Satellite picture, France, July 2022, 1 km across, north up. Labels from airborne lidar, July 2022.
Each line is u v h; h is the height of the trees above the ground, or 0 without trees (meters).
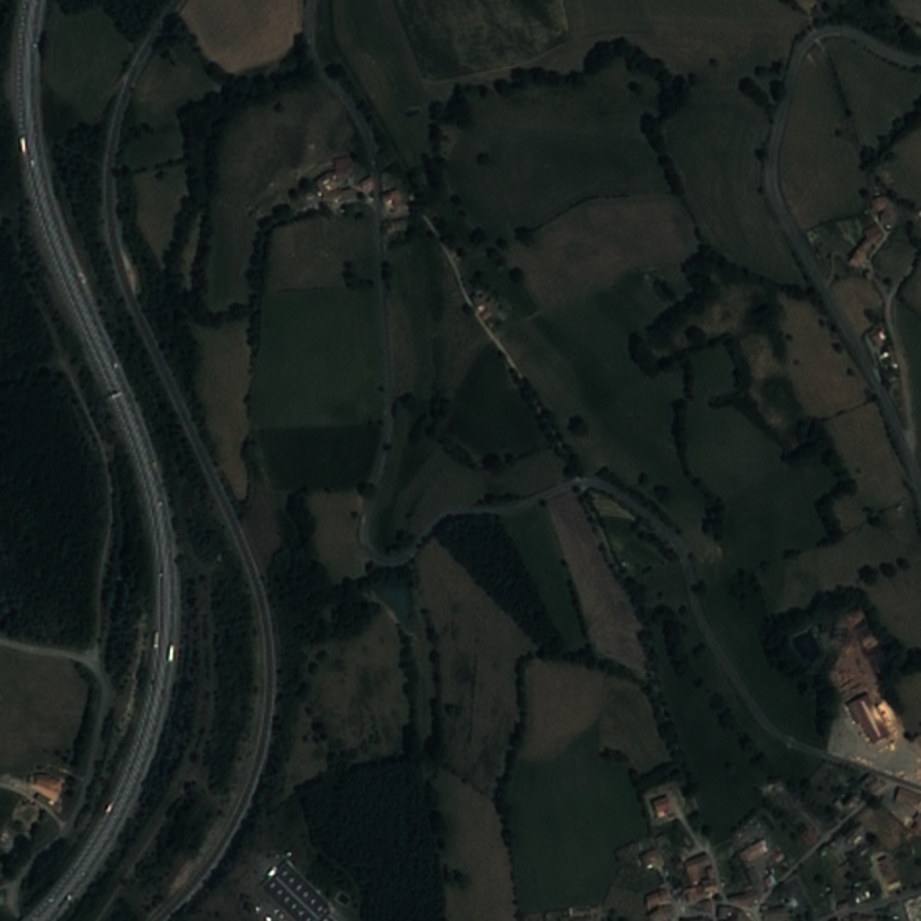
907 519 0
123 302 10
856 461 0
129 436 0
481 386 0
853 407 0
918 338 0
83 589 12
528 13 0
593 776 0
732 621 0
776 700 0
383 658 0
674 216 0
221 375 0
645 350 18
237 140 0
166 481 6
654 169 0
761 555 0
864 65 0
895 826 0
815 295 7
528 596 12
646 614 15
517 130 0
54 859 15
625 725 0
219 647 9
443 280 0
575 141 0
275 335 0
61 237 0
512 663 0
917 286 0
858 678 0
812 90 0
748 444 0
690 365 16
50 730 0
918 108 13
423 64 0
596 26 0
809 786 10
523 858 0
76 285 0
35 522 12
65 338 6
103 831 0
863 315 0
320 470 0
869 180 0
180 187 0
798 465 14
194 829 7
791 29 0
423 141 0
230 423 0
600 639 0
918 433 0
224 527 7
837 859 0
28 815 0
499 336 0
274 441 0
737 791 0
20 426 21
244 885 0
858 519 0
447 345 0
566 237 0
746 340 0
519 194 0
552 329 0
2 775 0
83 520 19
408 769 21
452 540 13
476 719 0
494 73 0
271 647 0
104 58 0
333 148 0
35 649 0
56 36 0
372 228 0
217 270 0
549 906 0
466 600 0
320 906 0
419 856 21
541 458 0
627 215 0
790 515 0
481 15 0
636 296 0
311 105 0
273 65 0
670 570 0
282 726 9
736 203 0
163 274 12
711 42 0
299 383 0
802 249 0
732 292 0
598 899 0
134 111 9
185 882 0
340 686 0
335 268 0
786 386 0
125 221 14
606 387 0
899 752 0
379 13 0
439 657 12
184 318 17
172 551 0
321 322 0
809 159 0
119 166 7
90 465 11
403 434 0
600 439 0
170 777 6
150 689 0
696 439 0
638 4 0
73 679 0
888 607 0
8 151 14
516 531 0
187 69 0
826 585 0
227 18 0
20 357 14
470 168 0
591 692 0
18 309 9
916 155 0
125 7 22
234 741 6
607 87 0
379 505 0
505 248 13
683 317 20
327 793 20
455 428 0
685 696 0
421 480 0
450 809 0
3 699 0
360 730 0
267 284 16
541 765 0
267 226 13
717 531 16
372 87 0
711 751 0
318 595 19
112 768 9
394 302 0
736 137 0
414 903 22
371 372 0
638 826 0
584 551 0
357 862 18
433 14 0
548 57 0
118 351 10
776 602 0
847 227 0
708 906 0
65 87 0
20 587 7
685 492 0
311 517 15
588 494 8
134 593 17
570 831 0
